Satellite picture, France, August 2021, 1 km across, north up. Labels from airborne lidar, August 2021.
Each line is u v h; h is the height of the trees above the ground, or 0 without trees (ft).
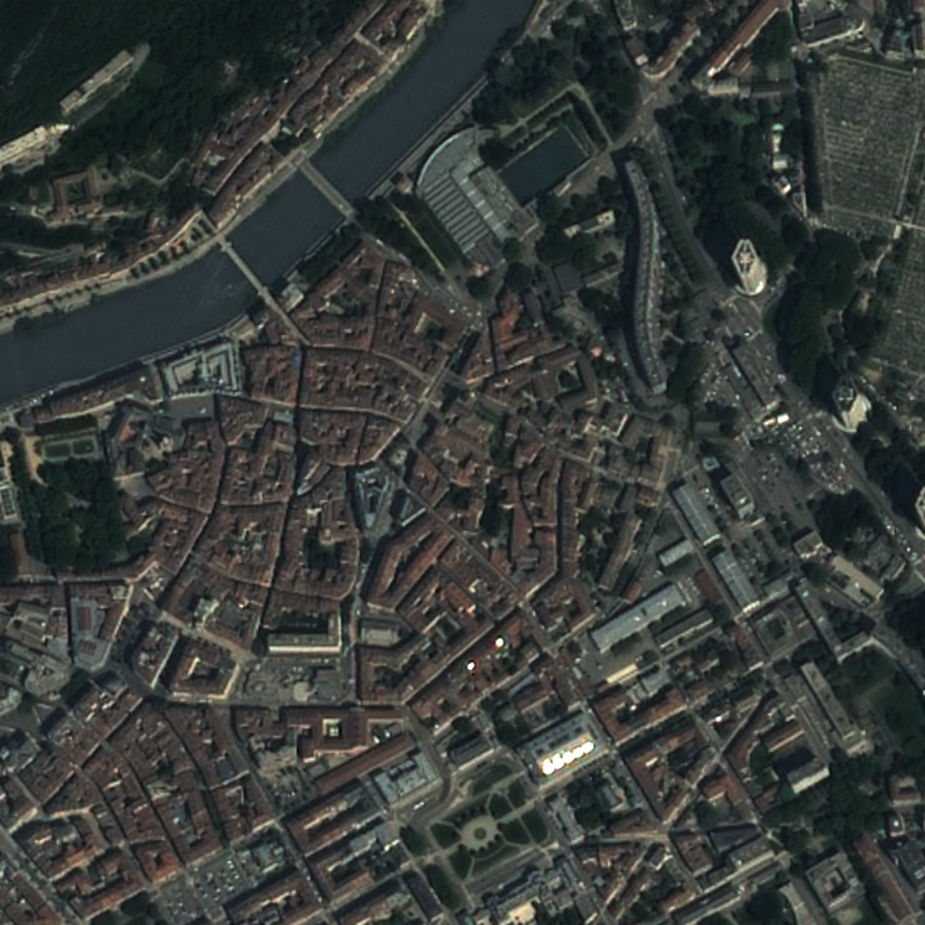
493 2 0
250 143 0
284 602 0
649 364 0
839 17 0
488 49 0
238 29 48
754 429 0
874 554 0
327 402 0
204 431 0
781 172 0
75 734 0
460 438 0
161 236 0
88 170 0
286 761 0
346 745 0
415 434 0
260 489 0
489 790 0
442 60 0
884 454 55
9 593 0
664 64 0
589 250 87
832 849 0
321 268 54
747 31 0
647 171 41
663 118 56
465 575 0
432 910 0
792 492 0
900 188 0
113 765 0
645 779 0
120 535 124
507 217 0
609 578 0
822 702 0
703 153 54
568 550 0
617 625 0
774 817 73
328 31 39
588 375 0
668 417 29
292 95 0
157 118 49
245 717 0
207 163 33
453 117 0
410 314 0
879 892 39
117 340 0
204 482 0
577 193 0
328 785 0
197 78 59
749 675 24
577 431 0
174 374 0
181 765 0
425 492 0
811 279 57
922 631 70
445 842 0
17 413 0
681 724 31
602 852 0
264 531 0
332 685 0
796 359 129
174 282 0
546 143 0
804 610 0
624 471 0
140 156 60
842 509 57
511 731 56
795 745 0
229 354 0
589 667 0
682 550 0
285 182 0
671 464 0
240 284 0
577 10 40
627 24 0
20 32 34
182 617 0
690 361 81
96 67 72
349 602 29
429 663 0
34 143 0
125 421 0
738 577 0
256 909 0
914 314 0
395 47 0
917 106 0
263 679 0
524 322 66
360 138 0
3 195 54
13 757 0
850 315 52
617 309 60
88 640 0
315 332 0
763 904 72
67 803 0
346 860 0
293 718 0
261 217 0
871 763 52
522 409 42
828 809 40
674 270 37
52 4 27
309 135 38
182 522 0
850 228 0
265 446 0
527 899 0
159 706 65
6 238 62
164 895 0
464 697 0
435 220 0
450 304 0
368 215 73
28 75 26
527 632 0
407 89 0
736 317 0
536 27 0
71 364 0
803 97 41
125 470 0
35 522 40
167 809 0
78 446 0
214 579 0
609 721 0
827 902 0
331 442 0
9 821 0
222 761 0
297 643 0
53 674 0
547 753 0
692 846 0
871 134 0
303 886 0
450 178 0
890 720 26
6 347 0
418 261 74
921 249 0
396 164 0
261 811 0
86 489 105
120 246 34
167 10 52
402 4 0
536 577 0
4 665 42
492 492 33
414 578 0
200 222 24
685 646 47
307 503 0
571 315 0
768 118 41
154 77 0
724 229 60
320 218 0
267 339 32
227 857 0
